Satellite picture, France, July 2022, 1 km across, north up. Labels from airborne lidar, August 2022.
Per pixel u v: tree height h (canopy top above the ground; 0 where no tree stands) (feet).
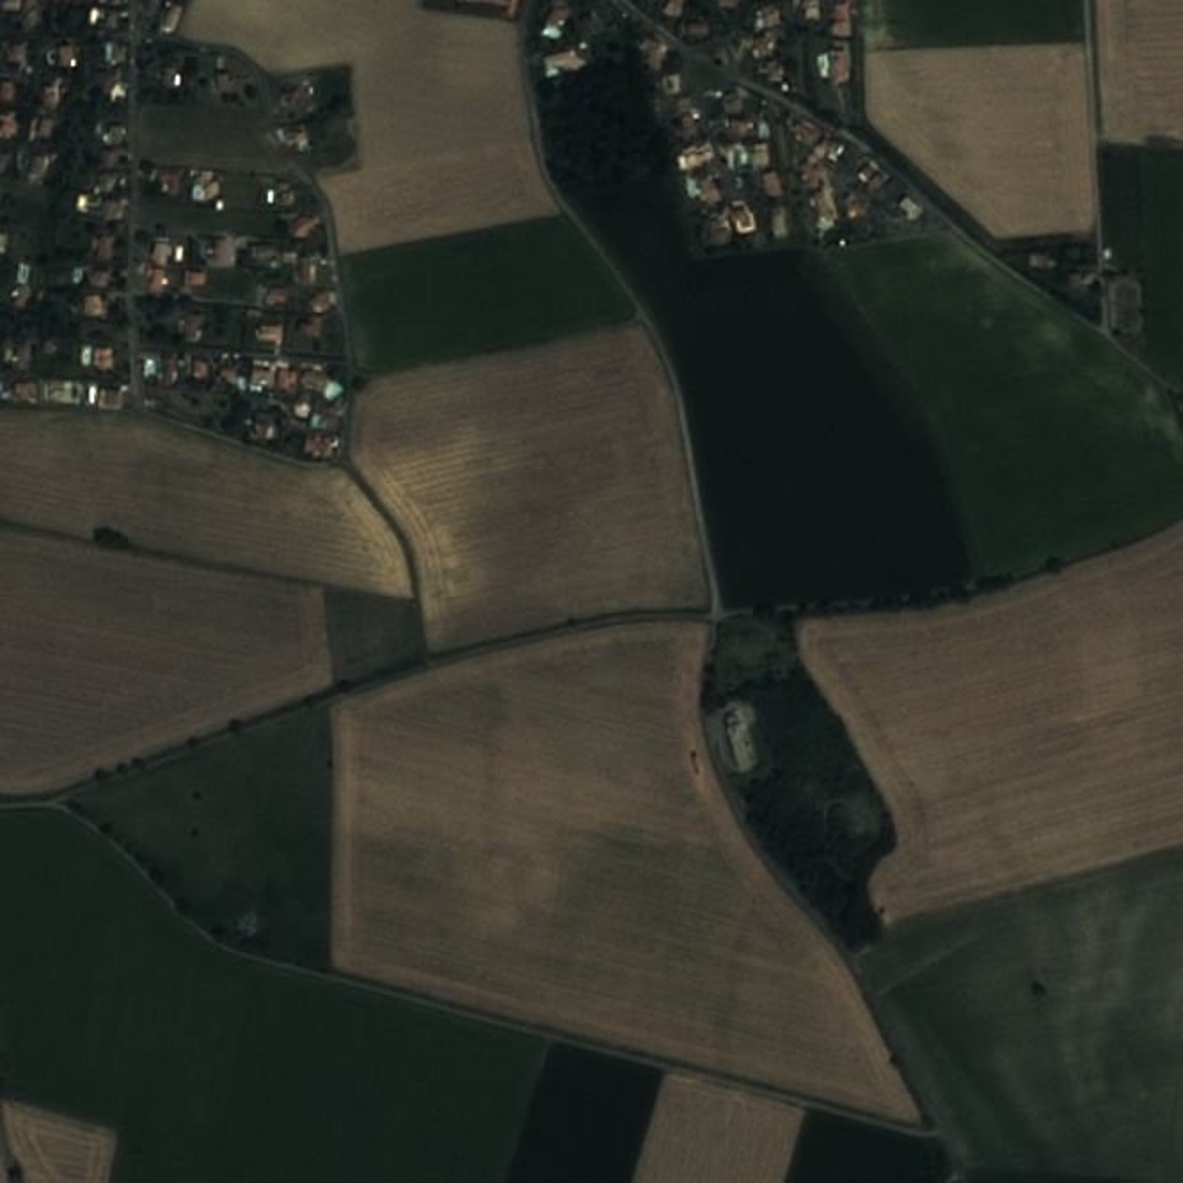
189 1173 0
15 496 0
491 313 0
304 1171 0
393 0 0
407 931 0
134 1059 0
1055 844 0
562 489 0
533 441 0
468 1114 0
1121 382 0
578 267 0
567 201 0
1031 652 0
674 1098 0
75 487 0
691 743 0
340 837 0
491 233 0
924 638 0
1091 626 0
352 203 0
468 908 0
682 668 0
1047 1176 0
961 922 0
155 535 0
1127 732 0
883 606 27
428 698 0
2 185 0
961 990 0
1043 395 0
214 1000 0
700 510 0
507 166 0
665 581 0
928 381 0
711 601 0
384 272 0
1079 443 0
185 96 27
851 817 0
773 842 30
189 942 0
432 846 0
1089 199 0
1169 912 0
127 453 0
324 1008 0
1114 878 0
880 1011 0
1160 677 0
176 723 0
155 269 0
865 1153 0
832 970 0
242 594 0
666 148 83
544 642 0
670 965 0
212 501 0
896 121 0
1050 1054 0
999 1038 0
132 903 0
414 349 0
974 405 0
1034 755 0
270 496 0
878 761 0
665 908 0
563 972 0
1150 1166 0
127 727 0
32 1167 0
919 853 0
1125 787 0
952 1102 0
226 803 0
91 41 24
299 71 0
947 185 0
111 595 0
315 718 0
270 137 0
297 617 0
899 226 0
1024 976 0
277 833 0
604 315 0
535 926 0
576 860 0
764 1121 0
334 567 0
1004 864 0
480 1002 0
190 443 0
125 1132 0
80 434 0
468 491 0
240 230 0
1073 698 0
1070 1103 0
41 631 0
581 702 0
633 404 0
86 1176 0
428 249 0
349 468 0
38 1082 0
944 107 0
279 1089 0
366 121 0
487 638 0
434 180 0
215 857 0
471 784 0
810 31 22
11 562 0
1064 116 0
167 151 0
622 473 0
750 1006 0
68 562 0
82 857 0
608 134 86
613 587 0
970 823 0
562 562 0
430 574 0
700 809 0
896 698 0
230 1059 0
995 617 0
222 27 0
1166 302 0
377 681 0
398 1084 0
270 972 0
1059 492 0
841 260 0
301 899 0
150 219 0
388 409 0
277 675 0
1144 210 0
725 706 32
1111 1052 0
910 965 0
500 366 0
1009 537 0
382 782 0
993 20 0
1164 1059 0
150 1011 0
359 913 0
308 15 0
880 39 0
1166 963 0
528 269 0
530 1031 0
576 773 0
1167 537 0
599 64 26
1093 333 0
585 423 0
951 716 0
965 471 0
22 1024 0
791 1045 0
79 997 0
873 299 0
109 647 0
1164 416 0
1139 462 0
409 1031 0
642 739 0
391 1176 0
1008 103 0
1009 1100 0
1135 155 0
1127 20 0
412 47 0
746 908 0
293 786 0
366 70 0
